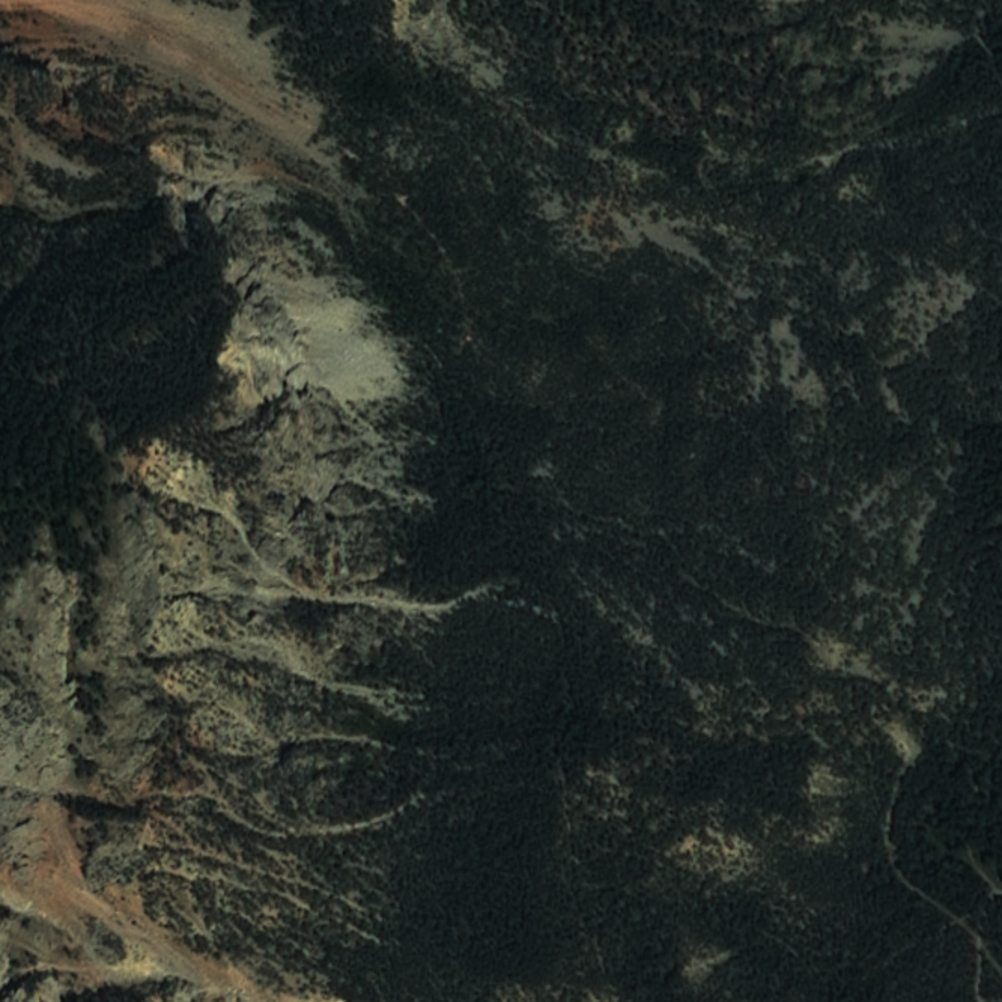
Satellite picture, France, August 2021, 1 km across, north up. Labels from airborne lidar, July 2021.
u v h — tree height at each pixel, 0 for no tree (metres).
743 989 9
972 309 11
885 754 14
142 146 8
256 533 9
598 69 16
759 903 11
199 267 17
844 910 8
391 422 7
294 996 0
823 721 10
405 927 9
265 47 0
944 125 8
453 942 12
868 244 10
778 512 10
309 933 13
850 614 7
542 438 9
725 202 6
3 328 17
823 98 11
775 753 13
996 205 10
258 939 10
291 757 8
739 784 9
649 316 6
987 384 15
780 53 9
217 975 0
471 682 10
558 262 6
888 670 8
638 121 6
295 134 0
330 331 0
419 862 9
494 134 7
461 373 6
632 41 12
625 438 9
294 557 8
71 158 8
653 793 10
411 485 12
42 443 14
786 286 6
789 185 9
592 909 6
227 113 0
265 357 0
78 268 8
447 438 16
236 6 8
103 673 11
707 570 11
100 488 15
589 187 8
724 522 8
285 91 0
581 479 8
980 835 17
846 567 10
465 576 9
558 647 8
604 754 6
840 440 10
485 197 6
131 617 16
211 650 9
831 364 14
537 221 6
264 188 0
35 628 0
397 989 10
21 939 0
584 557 12
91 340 12
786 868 9
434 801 14
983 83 19
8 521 16
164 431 12
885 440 16
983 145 9
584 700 10
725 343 6
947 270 9
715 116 8
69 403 18
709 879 9
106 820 12
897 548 9
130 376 15
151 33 0
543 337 7
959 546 10
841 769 8
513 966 12
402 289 7
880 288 8
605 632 10
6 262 7
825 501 10
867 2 7
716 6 12
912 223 11
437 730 7
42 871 0
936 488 9
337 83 8
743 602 8
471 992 10
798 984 7
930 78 6
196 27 0
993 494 14
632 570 14
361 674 15
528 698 8
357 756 13
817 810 5
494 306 6
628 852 14
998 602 14
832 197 7
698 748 11
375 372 0
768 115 11
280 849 8
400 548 11
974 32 8
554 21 14
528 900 12
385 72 7
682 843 10
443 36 0
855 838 8
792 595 14
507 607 12
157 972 0
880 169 7
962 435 14
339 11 13
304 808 10
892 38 0
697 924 5
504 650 9
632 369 8
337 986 11
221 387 9
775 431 10
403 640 8
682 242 0
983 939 10
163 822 7
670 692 12
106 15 0
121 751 0
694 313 6
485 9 19
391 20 8
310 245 7
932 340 12
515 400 9
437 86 10
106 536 6
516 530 9
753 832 8
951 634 12
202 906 11
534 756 11
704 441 8
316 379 0
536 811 12
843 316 12
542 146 7
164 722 13
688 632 11
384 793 15
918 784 15
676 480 10
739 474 9
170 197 6
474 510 9
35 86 9
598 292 6
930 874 8
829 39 8
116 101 10
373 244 8
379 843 14
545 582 10
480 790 12
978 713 9
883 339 7
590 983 6
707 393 6
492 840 12
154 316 15
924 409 12
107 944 8
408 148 7
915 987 6
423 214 6
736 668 12
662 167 8
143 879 9
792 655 8
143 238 11
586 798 8
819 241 9
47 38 0
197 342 12
